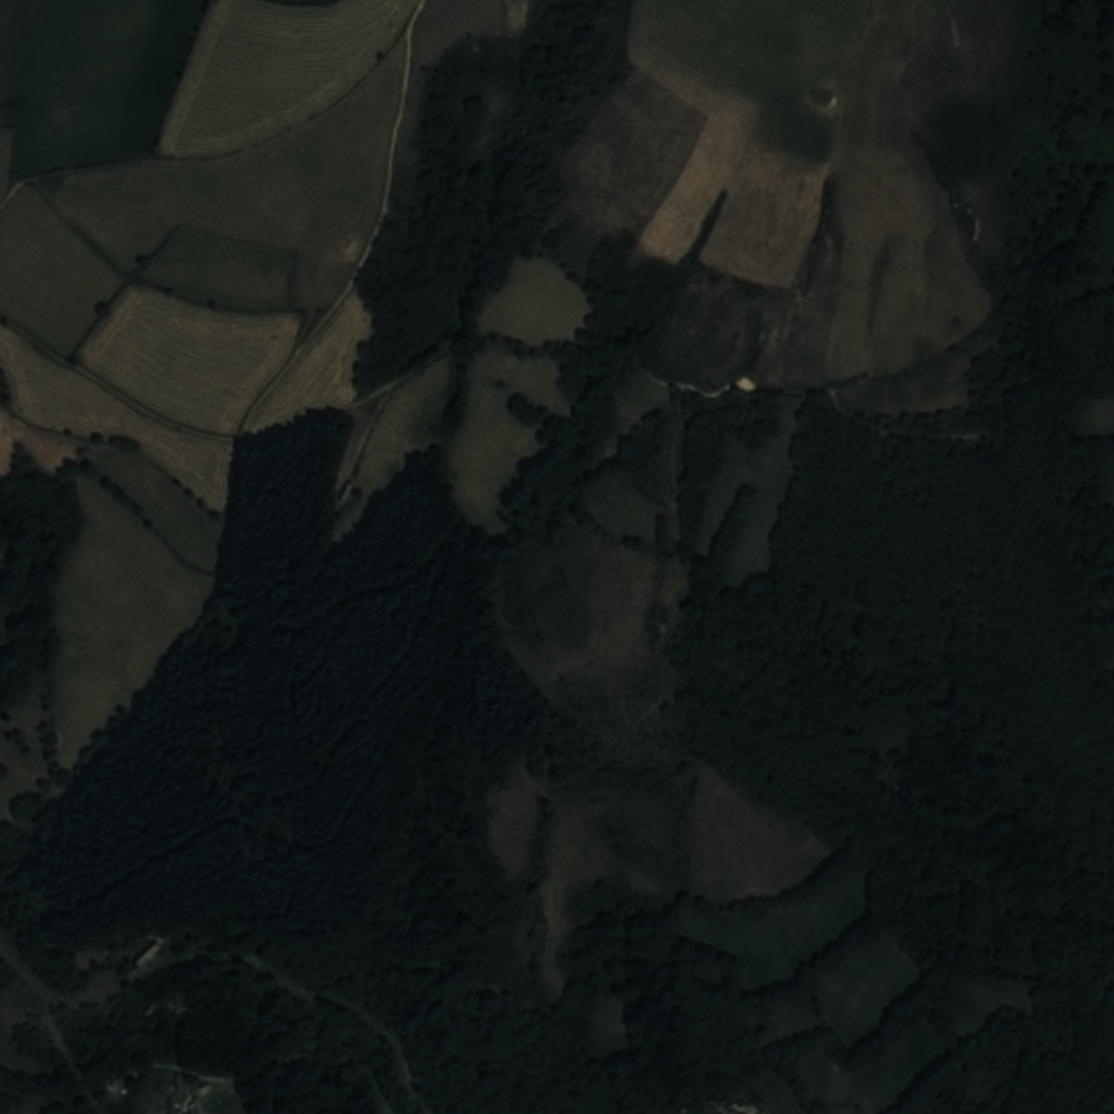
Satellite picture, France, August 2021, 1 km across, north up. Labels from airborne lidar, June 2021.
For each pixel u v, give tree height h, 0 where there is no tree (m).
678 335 0
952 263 0
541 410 9
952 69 0
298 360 0
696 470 14
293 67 0
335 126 0
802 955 0
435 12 0
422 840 15
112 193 0
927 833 26
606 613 0
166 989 13
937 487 16
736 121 0
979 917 19
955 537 14
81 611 0
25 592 25
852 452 13
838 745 23
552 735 6
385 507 28
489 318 0
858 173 0
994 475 18
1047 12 10
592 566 0
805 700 23
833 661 19
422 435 0
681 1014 20
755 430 11
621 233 0
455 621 27
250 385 0
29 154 0
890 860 22
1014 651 20
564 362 11
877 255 0
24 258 0
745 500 13
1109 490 0
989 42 0
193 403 0
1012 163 0
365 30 0
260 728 20
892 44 0
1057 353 18
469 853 9
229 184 0
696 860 0
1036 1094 21
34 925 13
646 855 0
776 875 0
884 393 0
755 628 15
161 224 0
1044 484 21
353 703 31
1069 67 0
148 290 0
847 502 13
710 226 0
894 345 0
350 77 0
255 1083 25
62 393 0
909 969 0
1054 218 11
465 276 7
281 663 24
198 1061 19
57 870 25
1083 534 20
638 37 0
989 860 24
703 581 17
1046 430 20
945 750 23
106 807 27
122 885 33
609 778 7
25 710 0
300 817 26
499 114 0
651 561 0
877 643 22
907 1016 19
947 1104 9
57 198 0
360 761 32
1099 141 0
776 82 0
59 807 12
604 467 12
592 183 0
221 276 0
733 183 0
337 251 0
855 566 18
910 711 20
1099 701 21
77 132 0
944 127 0
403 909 28
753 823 0
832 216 0
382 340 12
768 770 19
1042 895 25
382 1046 15
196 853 32
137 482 0
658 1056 22
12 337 0
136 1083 15
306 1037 22
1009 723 25
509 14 0
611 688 0
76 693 0
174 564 0
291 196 0
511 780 0
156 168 0
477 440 0
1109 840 20
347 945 19
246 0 0
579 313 0
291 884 30
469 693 22
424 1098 15
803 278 0
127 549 0
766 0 0
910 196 0
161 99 0
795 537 19
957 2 0
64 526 19
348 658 31
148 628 0
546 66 10
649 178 0
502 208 10
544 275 0
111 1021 13
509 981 0
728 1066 16
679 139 0
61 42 0
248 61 0
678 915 16
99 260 0
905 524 18
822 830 17
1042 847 21
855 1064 16
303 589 31
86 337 0
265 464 30
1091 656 25
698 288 0
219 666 26
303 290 0
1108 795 22
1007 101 0
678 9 0
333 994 18
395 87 0
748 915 15
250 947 29
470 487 0
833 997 0
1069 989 22
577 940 6
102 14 0
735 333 0
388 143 0
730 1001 16
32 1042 14
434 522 28
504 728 34
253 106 0
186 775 29
